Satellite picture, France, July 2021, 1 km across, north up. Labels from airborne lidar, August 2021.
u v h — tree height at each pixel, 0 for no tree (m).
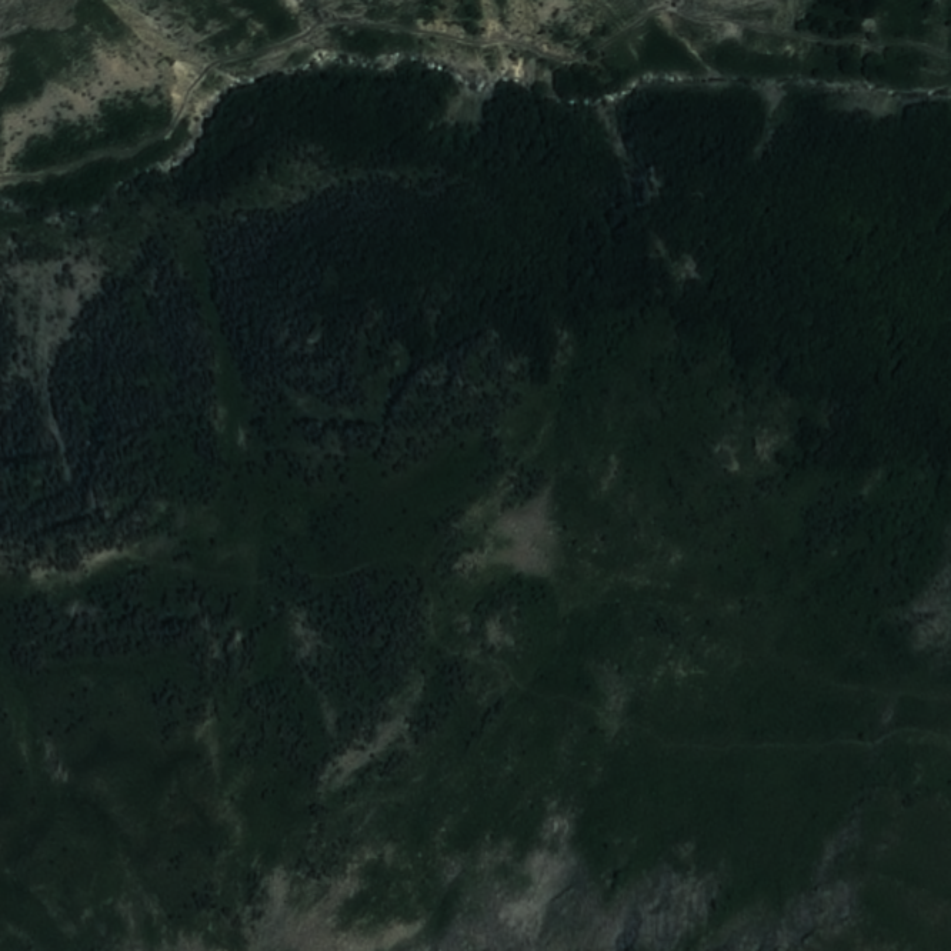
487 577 0
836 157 19
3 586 0
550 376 12
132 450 12
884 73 17
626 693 0
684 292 6
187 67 0
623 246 20
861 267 19
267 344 13
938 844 0
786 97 7
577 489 0
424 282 8
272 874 0
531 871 0
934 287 19
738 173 13
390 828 0
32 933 0
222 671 9
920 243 21
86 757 0
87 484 7
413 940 0
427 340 9
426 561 0
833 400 8
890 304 17
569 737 0
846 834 0
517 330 14
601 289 20
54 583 0
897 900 0
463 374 11
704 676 0
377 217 9
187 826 0
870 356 16
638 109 6
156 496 8
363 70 7
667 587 0
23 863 0
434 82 16
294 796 0
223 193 7
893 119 11
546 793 0
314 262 10
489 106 16
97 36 0
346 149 10
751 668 0
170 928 0
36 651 8
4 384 9
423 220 12
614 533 0
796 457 7
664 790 0
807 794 0
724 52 0
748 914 0
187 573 0
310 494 0
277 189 0
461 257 13
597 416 0
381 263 14
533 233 12
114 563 0
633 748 0
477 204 9
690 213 16
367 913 0
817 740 0
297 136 9
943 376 18
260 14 0
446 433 9
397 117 15
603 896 0
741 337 17
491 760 0
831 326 15
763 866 0
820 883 0
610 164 10
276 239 14
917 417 17
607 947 0
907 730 0
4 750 0
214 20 0
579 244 17
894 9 0
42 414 7
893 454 10
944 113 16
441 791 0
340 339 11
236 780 0
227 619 6
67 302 0
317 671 10
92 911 0
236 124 12
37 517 9
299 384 9
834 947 0
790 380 18
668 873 0
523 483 10
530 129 25
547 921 0
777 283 11
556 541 0
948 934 0
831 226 19
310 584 9
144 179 11
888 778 0
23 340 7
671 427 0
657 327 0
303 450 0
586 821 0
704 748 0
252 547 0
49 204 8
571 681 0
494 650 8
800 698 0
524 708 0
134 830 0
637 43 0
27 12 0
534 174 15
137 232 0
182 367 8
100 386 8
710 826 0
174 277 8
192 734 0
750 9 0
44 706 0
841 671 0
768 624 0
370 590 8
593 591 0
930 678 0
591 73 7
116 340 13
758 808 0
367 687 0
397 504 0
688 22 0
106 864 0
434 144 14
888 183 22
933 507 7
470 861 0
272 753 0
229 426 0
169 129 0
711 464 0
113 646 9
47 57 0
